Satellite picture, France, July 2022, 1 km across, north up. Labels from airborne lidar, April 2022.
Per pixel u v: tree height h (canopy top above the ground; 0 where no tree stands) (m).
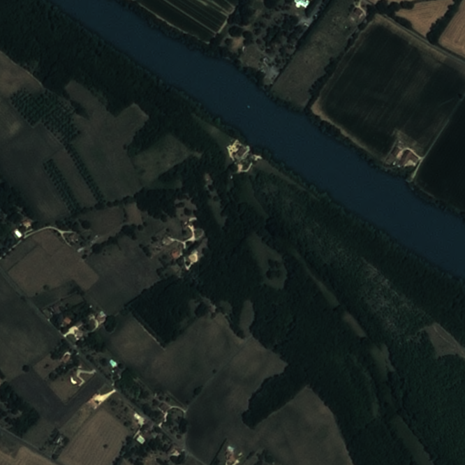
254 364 0
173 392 0
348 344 16
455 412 10
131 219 0
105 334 0
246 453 0
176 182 0
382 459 12
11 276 0
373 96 0
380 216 0
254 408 15
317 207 12
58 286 0
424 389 12
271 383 18
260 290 18
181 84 0
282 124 0
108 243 7
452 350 0
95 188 10
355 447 17
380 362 0
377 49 0
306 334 14
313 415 0
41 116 10
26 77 0
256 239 0
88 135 0
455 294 20
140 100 16
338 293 8
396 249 9
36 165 0
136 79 17
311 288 14
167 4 0
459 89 0
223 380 0
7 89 0
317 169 0
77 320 6
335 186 0
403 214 0
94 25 0
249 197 0
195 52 0
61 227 11
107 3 0
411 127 0
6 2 18
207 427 0
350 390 14
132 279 0
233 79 0
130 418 0
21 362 0
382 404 14
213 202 0
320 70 0
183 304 18
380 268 7
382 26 0
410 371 8
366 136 0
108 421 0
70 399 0
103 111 0
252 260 17
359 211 0
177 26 0
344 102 0
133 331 0
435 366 11
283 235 17
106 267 0
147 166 0
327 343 13
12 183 0
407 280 16
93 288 0
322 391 10
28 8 19
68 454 0
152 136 7
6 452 0
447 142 0
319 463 0
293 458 0
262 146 0
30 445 0
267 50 7
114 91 16
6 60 0
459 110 0
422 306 8
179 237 0
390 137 0
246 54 0
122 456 7
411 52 0
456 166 0
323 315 21
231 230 14
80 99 0
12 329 0
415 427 16
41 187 0
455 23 0
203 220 15
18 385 0
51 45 15
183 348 0
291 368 12
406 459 14
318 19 15
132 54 0
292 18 14
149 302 12
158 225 0
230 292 13
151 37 0
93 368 0
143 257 0
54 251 0
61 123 9
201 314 17
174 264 8
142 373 0
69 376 0
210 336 0
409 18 0
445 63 0
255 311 9
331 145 0
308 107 9
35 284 0
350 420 8
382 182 0
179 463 15
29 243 0
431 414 9
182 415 0
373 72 0
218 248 11
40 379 0
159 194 11
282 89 0
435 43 10
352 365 10
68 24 20
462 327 13
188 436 0
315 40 0
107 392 0
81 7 0
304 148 0
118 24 0
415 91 0
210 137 13
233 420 0
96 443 0
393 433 12
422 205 0
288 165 0
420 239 0
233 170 22
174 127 12
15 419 10
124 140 0
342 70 0
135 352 0
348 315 0
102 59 21
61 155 0
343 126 0
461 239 0
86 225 14
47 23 21
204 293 13
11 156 0
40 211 0
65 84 16
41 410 0
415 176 0
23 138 0
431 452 17
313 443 0
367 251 13
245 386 0
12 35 9
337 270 7
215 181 9
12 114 0
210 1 0
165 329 12
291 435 0
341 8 0
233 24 20
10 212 12
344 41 0
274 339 20
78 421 0
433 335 0
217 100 0
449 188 0
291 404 0
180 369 0
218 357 0
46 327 0
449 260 0
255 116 0
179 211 0
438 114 0
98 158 0
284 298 20
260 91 0
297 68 0
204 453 0
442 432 9
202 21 0
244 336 8
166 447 7
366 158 10
